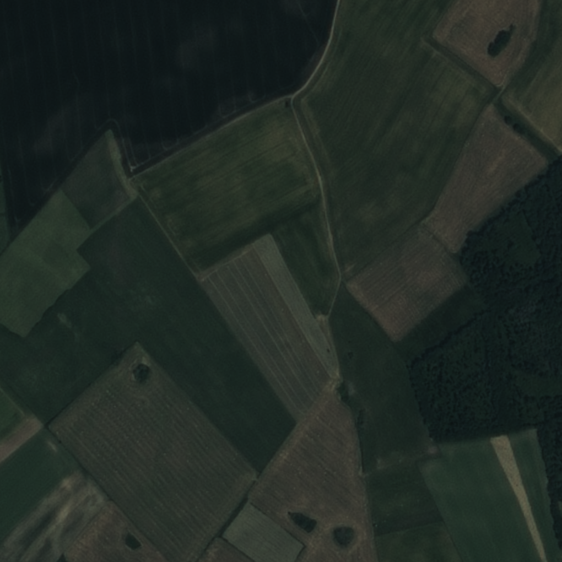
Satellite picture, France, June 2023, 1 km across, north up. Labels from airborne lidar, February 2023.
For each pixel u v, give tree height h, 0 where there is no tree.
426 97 0
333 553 0
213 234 0
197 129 0
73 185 0
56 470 0
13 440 0
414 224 0
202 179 0
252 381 0
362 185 0
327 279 0
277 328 0
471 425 12
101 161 0
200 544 0
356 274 0
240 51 0
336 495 0
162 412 0
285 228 0
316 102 0
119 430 0
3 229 0
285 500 0
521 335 17
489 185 0
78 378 0
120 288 0
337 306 0
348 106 0
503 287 18
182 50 0
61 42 0
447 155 0
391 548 0
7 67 0
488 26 0
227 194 0
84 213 0
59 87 0
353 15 0
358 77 0
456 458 0
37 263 0
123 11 0
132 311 0
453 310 0
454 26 0
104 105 0
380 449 0
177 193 0
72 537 0
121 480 0
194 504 0
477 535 0
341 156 0
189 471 0
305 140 0
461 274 0
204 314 0
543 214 25
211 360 0
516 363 19
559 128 0
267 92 0
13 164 0
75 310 0
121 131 0
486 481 0
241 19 0
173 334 0
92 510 0
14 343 0
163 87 0
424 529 0
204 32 0
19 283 0
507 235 0
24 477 0
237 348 0
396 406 0
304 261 0
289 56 0
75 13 0
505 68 0
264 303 0
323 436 0
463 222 0
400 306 0
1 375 0
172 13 0
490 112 0
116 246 0
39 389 0
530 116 0
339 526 0
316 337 0
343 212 0
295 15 0
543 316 15
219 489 0
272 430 0
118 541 0
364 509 0
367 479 0
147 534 0
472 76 0
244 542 0
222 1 0
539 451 0
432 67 0
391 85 0
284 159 0
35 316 0
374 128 0
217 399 0
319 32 0
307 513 0
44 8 0
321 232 0
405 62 0
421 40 0
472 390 16
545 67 0
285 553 0
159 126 0
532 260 0
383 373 0
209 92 0
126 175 0
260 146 0
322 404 0
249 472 0
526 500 0
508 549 0
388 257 0
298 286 0
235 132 0
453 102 0
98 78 0
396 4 0
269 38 0
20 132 0
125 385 0
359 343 0
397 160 0
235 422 0
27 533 0
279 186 0
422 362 16
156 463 0
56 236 0
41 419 0
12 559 0
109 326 0
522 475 0
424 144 0
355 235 0
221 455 0
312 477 0
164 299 0
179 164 0
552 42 0
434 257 0
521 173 0
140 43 0
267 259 0
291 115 0
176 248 0
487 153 0
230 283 0
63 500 0
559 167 21
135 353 0
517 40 0
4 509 0
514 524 0
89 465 0
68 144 0
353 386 0
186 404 0
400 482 0
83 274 0
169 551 0
